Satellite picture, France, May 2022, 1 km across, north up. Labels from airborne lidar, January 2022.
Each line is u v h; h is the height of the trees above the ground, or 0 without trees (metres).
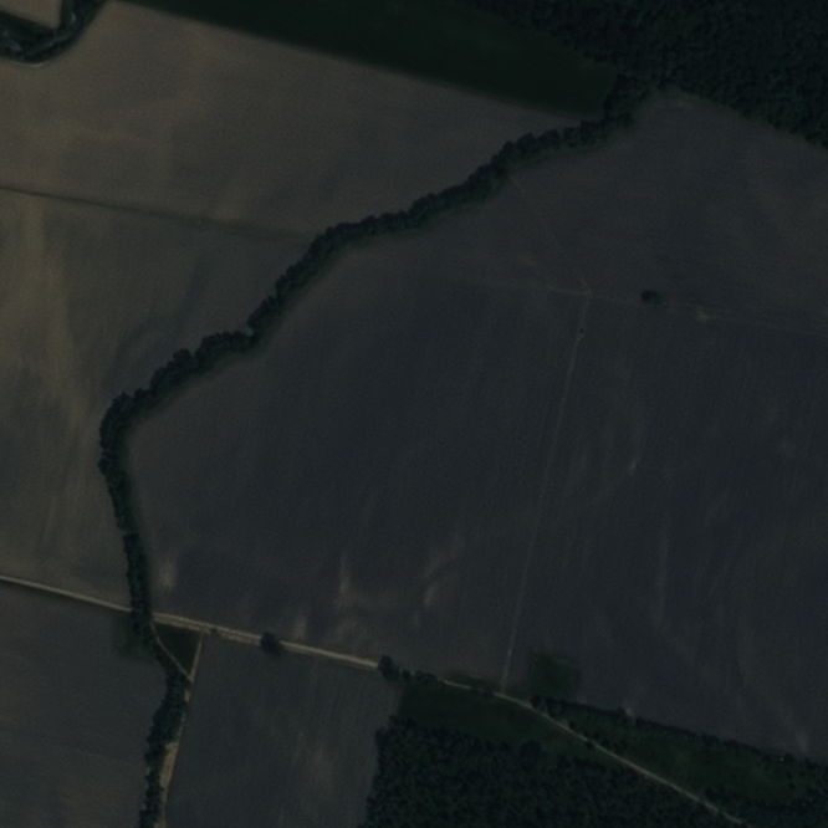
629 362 0
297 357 0
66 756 0
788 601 0
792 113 21
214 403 0
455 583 0
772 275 0
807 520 0
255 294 0
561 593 0
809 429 0
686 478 0
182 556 0
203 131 0
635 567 0
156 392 15
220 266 0
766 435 0
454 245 0
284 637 0
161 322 0
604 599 0
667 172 0
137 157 0
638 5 25
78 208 0
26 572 0
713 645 0
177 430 0
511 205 0
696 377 0
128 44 0
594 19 38
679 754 0
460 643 0
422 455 0
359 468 0
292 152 0
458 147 0
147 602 10
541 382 0
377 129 0
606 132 13
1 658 0
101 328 0
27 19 0
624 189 0
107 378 0
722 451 0
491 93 0
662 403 0
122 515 14
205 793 0
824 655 0
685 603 0
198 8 0
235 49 0
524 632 0
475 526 0
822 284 0
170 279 0
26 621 0
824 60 22
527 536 0
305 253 0
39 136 0
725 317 0
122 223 0
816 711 0
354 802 0
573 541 0
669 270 0
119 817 0
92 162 0
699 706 0
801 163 0
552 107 0
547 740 0
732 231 0
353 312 0
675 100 0
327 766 0
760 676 0
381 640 0
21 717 0
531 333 0
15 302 0
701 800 0
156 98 0
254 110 0
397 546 0
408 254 0
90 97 0
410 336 0
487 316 0
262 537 0
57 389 0
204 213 0
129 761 0
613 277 0
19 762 0
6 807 0
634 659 0
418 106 0
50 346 0
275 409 0
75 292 0
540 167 0
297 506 0
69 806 0
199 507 0
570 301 0
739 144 0
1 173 0
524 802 16
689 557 0
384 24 0
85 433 0
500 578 0
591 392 0
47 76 0
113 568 0
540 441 0
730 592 0
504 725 0
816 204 0
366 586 0
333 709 0
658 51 14
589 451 0
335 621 0
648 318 0
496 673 0
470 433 0
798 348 0
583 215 0
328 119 0
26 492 0
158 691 0
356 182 0
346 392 0
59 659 0
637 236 0
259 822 0
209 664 0
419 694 0
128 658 0
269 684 0
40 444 0
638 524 0
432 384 0
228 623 0
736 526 0
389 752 12
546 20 37
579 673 0
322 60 0
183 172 0
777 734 0
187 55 0
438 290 0
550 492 0
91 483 0
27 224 0
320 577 0
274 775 0
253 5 0
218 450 0
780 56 23
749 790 0
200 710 0
